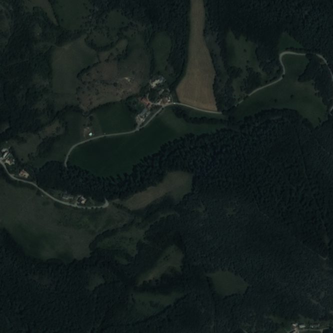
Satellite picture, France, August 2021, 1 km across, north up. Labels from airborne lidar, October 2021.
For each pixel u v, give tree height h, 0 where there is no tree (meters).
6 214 0
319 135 17
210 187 16
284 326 13
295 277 13
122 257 10
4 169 10
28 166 11
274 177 25
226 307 21
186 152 11
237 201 10
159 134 0
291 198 12
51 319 15
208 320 11
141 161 0
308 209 23
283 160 21
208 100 0
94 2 10
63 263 10
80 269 12
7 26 0
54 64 0
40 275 14
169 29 20
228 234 9
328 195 23
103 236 12
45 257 0
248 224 9
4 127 0
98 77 0
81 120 0
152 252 17
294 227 20
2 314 32
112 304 29
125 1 10
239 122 7
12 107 14
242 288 0
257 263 16
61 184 25
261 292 17
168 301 0
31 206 0
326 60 8
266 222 9
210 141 26
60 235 0
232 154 26
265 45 16
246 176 22
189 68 0
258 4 31
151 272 0
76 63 0
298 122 13
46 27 9
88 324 21
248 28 20
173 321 22
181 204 10
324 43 22
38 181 15
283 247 13
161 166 23
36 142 0
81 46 0
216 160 27
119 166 0
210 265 11
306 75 12
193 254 17
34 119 8
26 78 6
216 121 18
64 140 0
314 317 11
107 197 21
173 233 20
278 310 13
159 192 0
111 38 8
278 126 21
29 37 7
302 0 24
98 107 7
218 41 8
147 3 17
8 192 0
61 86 0
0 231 19
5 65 11
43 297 18
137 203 0
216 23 10
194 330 15
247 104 0
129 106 9
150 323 21
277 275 12
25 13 7
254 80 14
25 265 10
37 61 7
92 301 17
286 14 29
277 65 14
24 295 19
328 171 18
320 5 19
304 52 15
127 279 8
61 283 10
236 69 6
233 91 14
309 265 12
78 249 0
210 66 0
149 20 8
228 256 13
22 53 8
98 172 0
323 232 19
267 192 27
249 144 25
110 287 20
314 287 10
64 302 19
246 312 11
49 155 0
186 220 6
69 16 0
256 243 18
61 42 8
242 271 16
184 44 17
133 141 0
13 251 12
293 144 15
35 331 32
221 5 17
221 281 0
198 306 14
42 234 0
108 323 8
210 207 14
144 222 7
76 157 0
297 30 25
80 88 7
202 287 19
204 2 0
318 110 0
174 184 0
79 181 25
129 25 6
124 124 0
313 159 18
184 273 21
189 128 0
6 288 24
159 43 0
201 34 0
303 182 19
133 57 0
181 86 0
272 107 0
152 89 12
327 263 7
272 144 23
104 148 0
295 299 13
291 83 0
